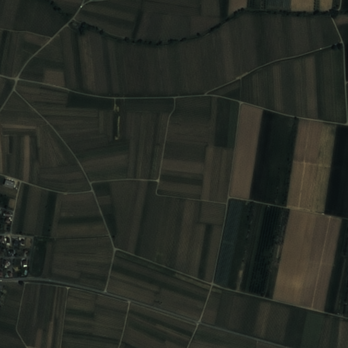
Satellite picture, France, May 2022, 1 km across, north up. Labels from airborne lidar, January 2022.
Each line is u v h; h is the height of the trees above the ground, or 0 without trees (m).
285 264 0
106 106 0
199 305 0
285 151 0
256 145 0
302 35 0
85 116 0
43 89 0
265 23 0
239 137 0
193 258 0
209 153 0
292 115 0
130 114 0
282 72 0
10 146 0
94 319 0
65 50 0
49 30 0
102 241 0
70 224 0
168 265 0
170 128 0
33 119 0
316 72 0
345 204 0
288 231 0
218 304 0
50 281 0
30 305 0
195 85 0
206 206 0
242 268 0
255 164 0
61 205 0
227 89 0
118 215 0
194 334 0
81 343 0
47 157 0
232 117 0
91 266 0
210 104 0
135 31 0
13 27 0
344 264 0
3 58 0
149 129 0
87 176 0
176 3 0
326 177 0
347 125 0
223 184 0
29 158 0
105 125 0
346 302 7
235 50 0
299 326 0
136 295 0
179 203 0
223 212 0
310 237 0
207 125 0
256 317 0
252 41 0
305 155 0
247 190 0
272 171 0
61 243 0
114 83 0
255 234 0
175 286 0
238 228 0
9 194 0
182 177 0
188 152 0
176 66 0
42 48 0
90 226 0
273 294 0
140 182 0
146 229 0
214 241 0
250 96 0
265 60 0
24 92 0
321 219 0
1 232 0
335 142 0
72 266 0
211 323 0
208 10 0
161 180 0
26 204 0
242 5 0
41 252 0
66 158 0
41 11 0
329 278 0
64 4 0
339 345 0
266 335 0
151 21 0
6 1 0
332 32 0
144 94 0
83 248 0
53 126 0
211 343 0
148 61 0
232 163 0
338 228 0
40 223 0
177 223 0
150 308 0
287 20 0
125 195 0
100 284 0
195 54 0
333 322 0
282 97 0
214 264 0
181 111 0
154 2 0
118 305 0
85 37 0
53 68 0
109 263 0
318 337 0
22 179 0
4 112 0
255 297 0
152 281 0
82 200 0
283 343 0
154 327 0
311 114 0
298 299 0
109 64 0
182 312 0
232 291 0
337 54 0
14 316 0
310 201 0
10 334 0
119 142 0
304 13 10
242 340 0
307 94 0
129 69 0
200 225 0
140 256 0
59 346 0
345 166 0
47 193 0
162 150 0
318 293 0
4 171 0
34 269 0
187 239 0
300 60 0
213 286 0
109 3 0
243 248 0
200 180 0
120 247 0
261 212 0
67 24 0
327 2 0
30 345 0
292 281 0
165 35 0
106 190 0
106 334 0
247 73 0
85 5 0
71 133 0
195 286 0
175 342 0
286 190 0
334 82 0
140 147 0
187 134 0
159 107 0
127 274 0
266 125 0
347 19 0
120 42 0
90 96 0
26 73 0
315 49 0
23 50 0
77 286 0
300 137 0
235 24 0
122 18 0
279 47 0
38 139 0
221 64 0
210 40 0
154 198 0
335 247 0
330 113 0
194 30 0
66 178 0
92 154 0
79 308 0
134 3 0
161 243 0
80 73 0
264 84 0
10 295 0
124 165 0
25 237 0
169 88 0
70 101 0
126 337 0
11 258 0
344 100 0
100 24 0
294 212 0
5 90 0
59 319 0
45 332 0
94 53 0
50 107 0
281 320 0
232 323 0
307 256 0
